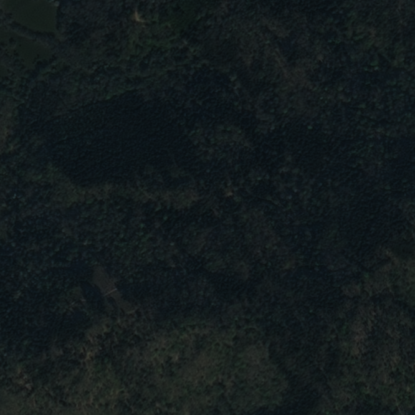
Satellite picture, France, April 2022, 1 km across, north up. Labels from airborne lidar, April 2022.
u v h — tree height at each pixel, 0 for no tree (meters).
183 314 20
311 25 25
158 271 23
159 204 20
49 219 21
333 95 25
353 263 15
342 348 13
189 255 22
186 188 7
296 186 28
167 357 16
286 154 19
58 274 17
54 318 16
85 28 14
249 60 17
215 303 25
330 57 31
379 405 27
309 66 23
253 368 9
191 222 26
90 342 21
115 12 23
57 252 8
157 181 10
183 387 15
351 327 17
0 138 24
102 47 24
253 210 23
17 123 22
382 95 32
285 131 27
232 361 21
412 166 21
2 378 17
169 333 9
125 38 24
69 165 21
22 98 22
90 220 8
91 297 31
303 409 25
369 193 16
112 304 18
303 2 37
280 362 19
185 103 25
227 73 8
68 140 18
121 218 27
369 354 30
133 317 15
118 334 22
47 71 17
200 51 20
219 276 31
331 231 20
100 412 15
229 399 15
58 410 13
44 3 0
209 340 12
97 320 15
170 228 27
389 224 20
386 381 19
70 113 21
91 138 20
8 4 0
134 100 25
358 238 19
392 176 21
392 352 19
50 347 18
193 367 17
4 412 15
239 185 22
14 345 13
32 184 29
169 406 24
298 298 27
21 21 0
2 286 25
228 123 27
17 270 22
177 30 9
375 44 9
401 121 30
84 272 32
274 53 16
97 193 22
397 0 16
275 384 10
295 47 33
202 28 8
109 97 17
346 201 18
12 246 12
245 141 27
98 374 16
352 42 16
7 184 10
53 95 25
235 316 20
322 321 17
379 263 20
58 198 20
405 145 22
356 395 20
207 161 9
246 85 32
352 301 19
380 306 28
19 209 10
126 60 23
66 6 23
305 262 23
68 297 10
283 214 27
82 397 13
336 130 23
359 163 13
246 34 20
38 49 0
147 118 23
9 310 20
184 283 19
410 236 21
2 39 0
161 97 23
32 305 13
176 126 23
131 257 29
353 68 32
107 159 16
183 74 15
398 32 26
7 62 21
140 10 17
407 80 36
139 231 30
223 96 32
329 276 24
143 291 28
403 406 23
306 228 17
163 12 18
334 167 18
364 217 24
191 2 11
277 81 23
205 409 12
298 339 24
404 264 18
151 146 21
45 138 15
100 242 24
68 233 22
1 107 18
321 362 17
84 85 21
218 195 22
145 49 20
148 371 18
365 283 30
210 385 12
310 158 23
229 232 27
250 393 11
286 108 29
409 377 15
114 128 17
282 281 27
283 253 23
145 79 13
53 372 20
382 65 11
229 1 25
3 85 8
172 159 19
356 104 30
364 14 13
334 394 15
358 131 13
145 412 14
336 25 28
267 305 20
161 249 28
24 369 17
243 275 25
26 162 15
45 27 0
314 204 27
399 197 21
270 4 34
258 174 28
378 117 27
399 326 25
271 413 23
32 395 15
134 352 18
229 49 20
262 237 28
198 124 25
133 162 17
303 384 27
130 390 19
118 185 15
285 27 32
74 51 32
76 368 19
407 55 19
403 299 24
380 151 22
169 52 22
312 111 25
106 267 19
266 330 19
